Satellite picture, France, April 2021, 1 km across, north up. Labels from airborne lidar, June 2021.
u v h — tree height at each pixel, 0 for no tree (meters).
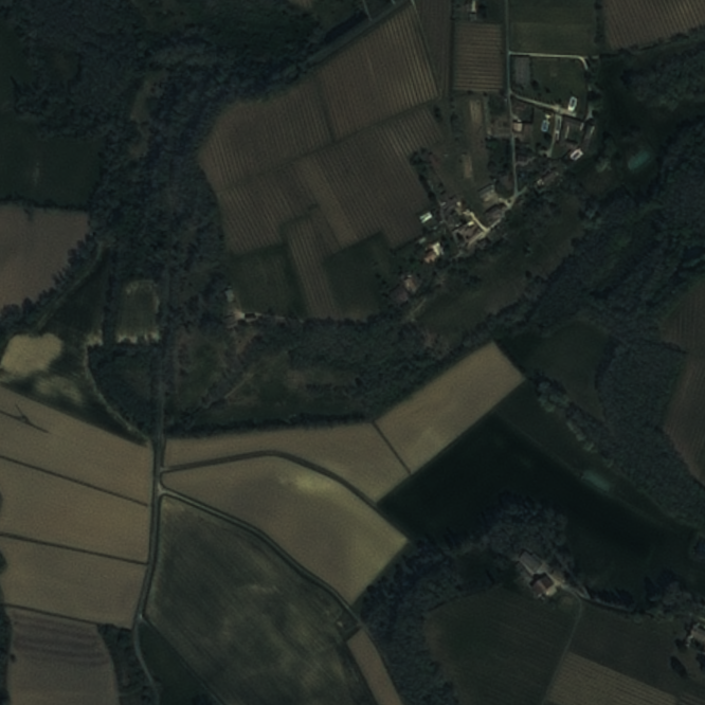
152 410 11
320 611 0
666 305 13
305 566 0
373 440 0
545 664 0
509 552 19
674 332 0
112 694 0
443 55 0
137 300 0
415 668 23
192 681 0
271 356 17
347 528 0
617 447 19
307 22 9
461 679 0
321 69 0
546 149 6
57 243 0
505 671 0
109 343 14
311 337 22
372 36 0
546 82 0
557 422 0
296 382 0
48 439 0
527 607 0
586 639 0
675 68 19
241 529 0
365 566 0
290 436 0
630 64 14
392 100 0
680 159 20
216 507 0
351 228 0
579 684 0
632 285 17
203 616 0
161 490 0
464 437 0
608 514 0
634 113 0
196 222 18
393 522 0
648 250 8
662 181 14
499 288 0
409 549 0
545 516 10
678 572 0
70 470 0
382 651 22
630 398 17
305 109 0
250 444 0
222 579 0
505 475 0
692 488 19
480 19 9
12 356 0
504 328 15
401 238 0
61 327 0
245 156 0
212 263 19
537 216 21
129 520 0
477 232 0
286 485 0
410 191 0
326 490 0
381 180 0
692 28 0
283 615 0
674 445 14
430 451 0
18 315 18
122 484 0
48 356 0
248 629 0
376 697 0
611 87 0
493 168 11
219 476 0
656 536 0
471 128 0
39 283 0
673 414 0
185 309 0
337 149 0
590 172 0
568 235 0
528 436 0
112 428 0
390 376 16
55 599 0
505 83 0
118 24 18
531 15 0
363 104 0
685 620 13
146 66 10
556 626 0
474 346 15
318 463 0
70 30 18
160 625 0
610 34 0
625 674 0
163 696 0
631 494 0
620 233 24
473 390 0
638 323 19
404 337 19
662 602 16
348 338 23
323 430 13
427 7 0
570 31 0
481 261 18
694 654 0
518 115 0
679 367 19
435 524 0
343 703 0
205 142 10
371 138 0
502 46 0
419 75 0
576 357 0
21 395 0
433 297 21
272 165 0
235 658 0
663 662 0
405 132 0
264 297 0
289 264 0
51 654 0
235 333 12
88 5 16
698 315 0
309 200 0
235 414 0
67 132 15
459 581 28
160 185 20
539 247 0
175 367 16
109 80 22
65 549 0
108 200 17
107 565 0
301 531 0
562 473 0
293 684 0
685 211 23
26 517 0
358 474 0
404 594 8
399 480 0
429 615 16
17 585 0
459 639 0
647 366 17
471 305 0
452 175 0
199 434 14
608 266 23
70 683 0
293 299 0
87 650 0
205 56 20
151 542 0
